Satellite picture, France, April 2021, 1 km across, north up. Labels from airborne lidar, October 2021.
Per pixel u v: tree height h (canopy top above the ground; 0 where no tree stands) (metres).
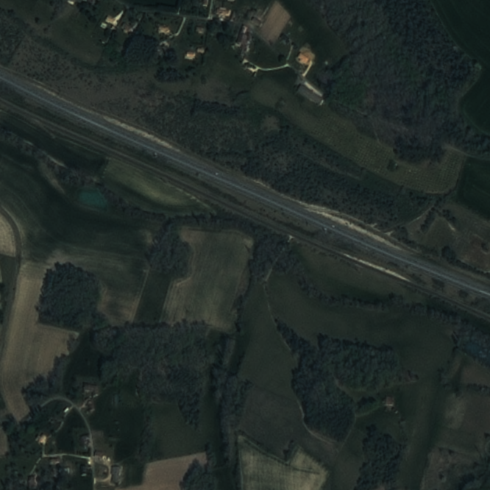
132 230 0
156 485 0
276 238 10
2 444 0
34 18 0
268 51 0
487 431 0
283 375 0
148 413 10
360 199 11
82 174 33
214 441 0
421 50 15
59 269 16
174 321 0
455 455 11
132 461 0
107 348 26
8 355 0
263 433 0
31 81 0
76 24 0
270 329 0
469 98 0
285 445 0
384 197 7
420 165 0
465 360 0
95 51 0
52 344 0
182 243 19
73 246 0
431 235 0
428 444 0
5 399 0
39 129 6
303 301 0
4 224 0
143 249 0
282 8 0
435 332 0
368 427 0
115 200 13
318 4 13
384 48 16
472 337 17
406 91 25
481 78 0
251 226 12
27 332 0
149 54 21
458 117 19
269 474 0
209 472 21
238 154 9
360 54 16
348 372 24
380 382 26
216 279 0
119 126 0
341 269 0
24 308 0
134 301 0
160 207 0
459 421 0
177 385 26
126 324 0
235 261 0
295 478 0
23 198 0
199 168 0
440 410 0
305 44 0
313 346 8
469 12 0
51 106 0
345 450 0
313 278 0
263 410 0
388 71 21
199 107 14
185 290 0
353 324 0
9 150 0
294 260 19
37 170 0
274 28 0
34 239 0
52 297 21
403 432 13
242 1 0
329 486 0
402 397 0
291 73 0
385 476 6
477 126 0
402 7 18
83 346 0
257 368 0
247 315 0
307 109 0
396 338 0
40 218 0
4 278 0
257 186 0
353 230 0
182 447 0
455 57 7
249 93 7
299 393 18
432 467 0
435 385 0
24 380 0
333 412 24
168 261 25
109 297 0
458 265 8
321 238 22
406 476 0
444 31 6
